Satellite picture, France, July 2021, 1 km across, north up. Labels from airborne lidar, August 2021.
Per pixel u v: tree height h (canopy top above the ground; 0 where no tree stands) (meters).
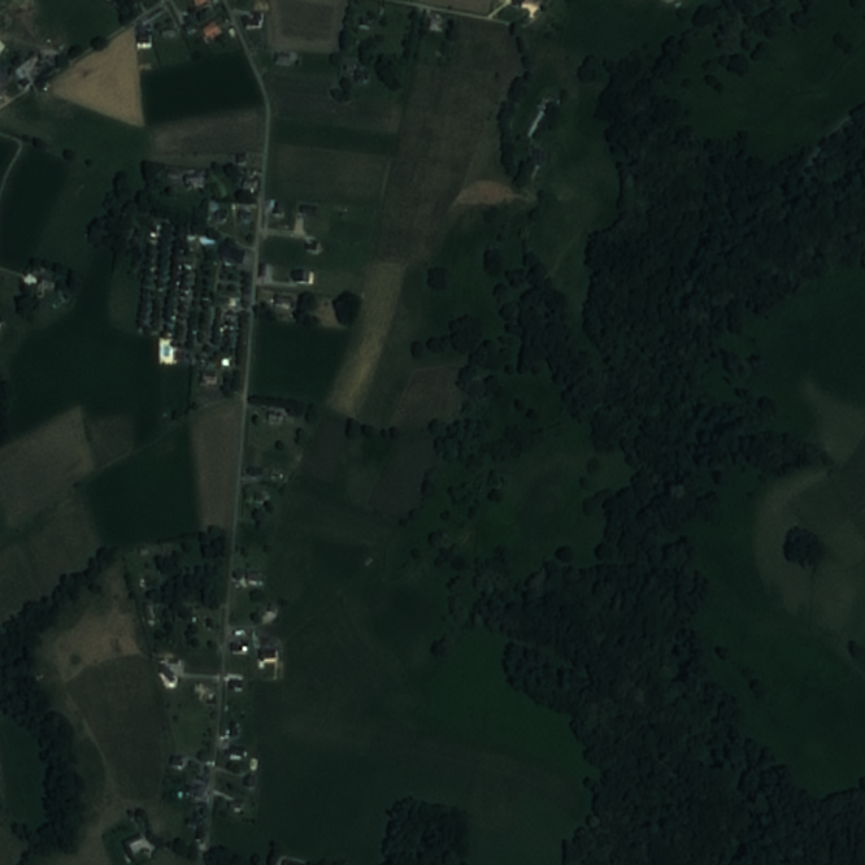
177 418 8
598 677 25
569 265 0
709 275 36
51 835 21
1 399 19
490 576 15
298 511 0
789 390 0
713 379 0
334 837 0
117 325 0
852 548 0
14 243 0
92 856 0
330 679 0
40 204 0
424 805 15
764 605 0
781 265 26
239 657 0
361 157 0
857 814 19
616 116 17
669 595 22
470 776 0
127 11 13
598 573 14
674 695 33
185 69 0
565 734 0
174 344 10
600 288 25
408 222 0
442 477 17
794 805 27
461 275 0
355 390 0
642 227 23
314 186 0
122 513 0
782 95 0
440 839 24
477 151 0
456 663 0
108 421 0
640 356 25
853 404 0
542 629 24
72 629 0
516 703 0
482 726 0
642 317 30
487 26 0
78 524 0
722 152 20
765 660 0
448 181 0
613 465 0
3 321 7
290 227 0
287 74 0
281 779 0
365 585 0
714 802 27
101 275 0
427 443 0
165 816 0
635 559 16
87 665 0
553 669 23
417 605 0
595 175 0
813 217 34
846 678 0
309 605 0
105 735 0
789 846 25
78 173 0
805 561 16
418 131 0
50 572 0
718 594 0
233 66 0
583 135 0
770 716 0
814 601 0
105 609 0
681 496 32
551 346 24
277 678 0
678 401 26
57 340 0
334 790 0
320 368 0
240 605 0
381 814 0
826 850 19
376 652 0
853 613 0
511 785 0
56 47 0
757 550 0
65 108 0
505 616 24
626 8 0
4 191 0
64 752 24
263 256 0
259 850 0
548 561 9
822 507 0
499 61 0
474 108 0
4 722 0
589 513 9
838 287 0
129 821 0
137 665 0
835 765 0
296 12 0
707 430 14
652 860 23
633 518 33
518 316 21
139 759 0
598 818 17
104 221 16
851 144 21
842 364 0
